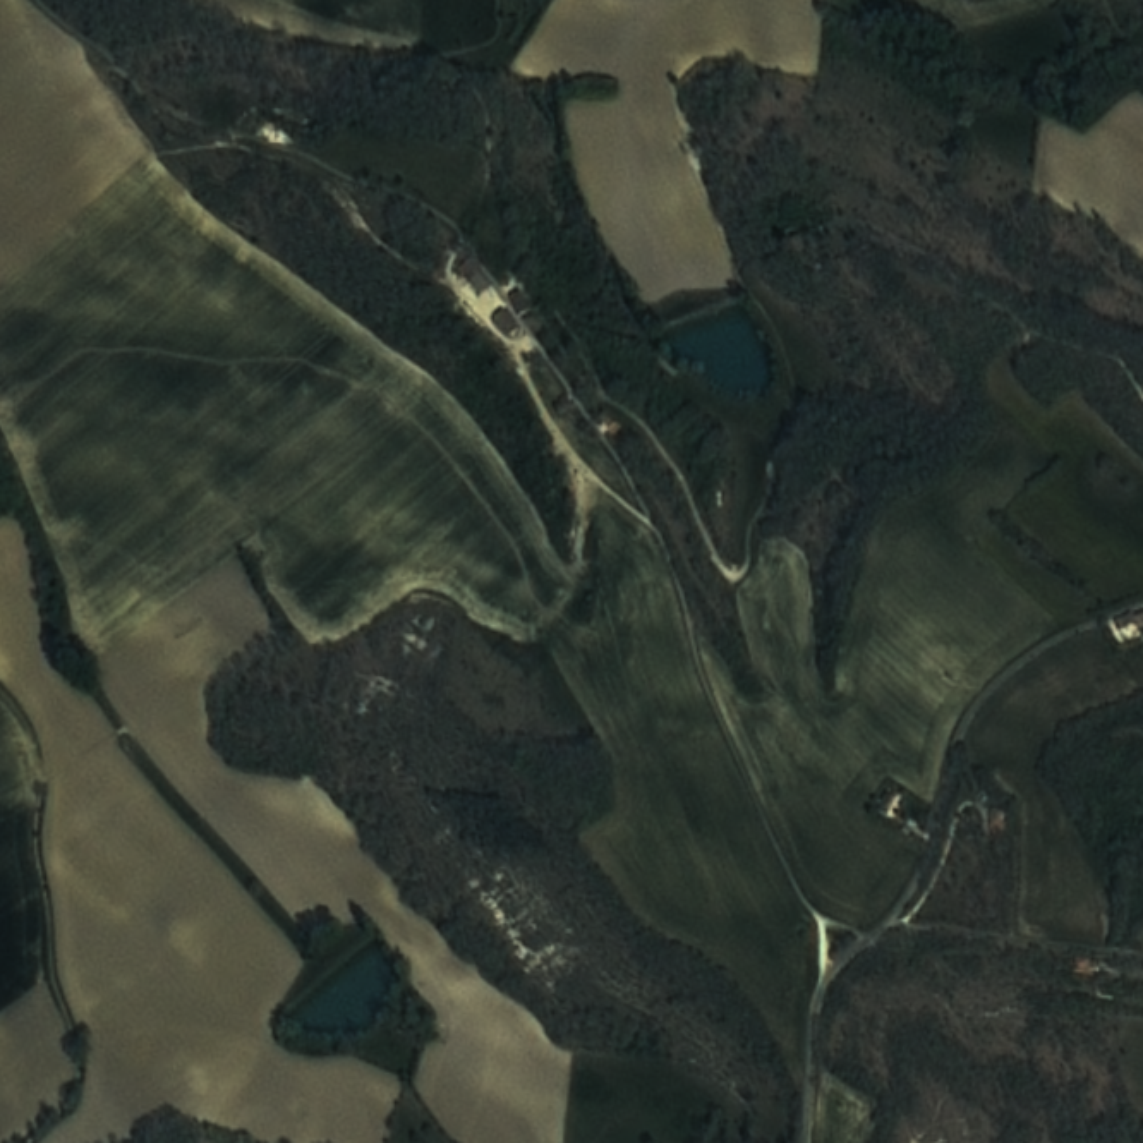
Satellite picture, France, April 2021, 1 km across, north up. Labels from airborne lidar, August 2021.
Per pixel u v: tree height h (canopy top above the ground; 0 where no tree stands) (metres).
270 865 0
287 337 0
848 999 9
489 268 13
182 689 0
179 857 0
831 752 0
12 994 0
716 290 0
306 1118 0
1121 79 17
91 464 0
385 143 0
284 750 15
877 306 7
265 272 0
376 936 21
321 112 9
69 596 0
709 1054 0
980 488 0
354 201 0
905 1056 14
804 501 8
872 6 0
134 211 0
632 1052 13
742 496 0
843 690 0
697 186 0
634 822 0
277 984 0
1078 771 12
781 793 0
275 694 5
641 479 15
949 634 0
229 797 0
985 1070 10
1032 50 0
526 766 9
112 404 0
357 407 0
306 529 0
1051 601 0
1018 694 0
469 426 0
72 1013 0
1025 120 0
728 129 11
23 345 0
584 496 0
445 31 0
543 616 0
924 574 0
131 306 0
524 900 0
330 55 17
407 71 17
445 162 0
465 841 8
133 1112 0
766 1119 0
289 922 0
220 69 10
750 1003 12
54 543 0
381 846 14
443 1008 0
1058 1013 8
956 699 0
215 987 0
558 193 6
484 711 0
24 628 0
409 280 17
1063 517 0
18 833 0
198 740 0
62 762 0
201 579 0
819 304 17
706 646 0
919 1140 0
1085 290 9
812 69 0
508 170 13
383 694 0
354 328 0
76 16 13
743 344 0
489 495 0
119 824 0
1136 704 11
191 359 0
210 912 0
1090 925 0
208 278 0
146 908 0
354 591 0
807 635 0
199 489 0
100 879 0
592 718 0
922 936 10
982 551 0
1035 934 0
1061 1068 9
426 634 0
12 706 0
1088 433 0
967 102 16
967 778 10
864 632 0
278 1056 0
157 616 0
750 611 0
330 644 10
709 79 10
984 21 0
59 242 0
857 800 0
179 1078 0
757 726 0
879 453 23
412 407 0
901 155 12
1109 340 16
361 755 9
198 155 0
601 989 0
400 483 0
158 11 22
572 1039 12
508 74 14
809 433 19
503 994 17
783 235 10
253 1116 0
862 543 13
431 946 0
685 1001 10
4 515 12
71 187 0
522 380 0
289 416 0
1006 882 12
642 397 19
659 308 0
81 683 32
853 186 0
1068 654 0
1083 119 30
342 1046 18
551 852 9
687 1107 0
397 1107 6
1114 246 8
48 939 0
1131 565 0
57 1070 0
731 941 0
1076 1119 11
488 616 0
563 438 0
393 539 0
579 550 0
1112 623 9
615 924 9
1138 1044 0
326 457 0
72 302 0
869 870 0
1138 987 10
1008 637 0
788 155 16
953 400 9
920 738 0
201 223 0
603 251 16
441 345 11
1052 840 0
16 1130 0
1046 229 11
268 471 0
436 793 7
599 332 10
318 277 19
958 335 11
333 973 0
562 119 21
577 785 15
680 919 0
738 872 0
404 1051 0
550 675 0
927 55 12
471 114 15
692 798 0
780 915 0
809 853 0
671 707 0
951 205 9
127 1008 0
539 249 8
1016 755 0
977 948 9
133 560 0
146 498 0
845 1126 0
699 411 9
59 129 0
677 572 10
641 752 0
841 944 13
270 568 0
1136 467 0
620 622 0
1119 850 11
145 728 0
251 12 0
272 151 0
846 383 6
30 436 0
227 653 0
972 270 6
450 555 0
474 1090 0
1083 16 6
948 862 11
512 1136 0
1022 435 0
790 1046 0
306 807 0
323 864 0
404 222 16
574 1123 0
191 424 0
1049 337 13
